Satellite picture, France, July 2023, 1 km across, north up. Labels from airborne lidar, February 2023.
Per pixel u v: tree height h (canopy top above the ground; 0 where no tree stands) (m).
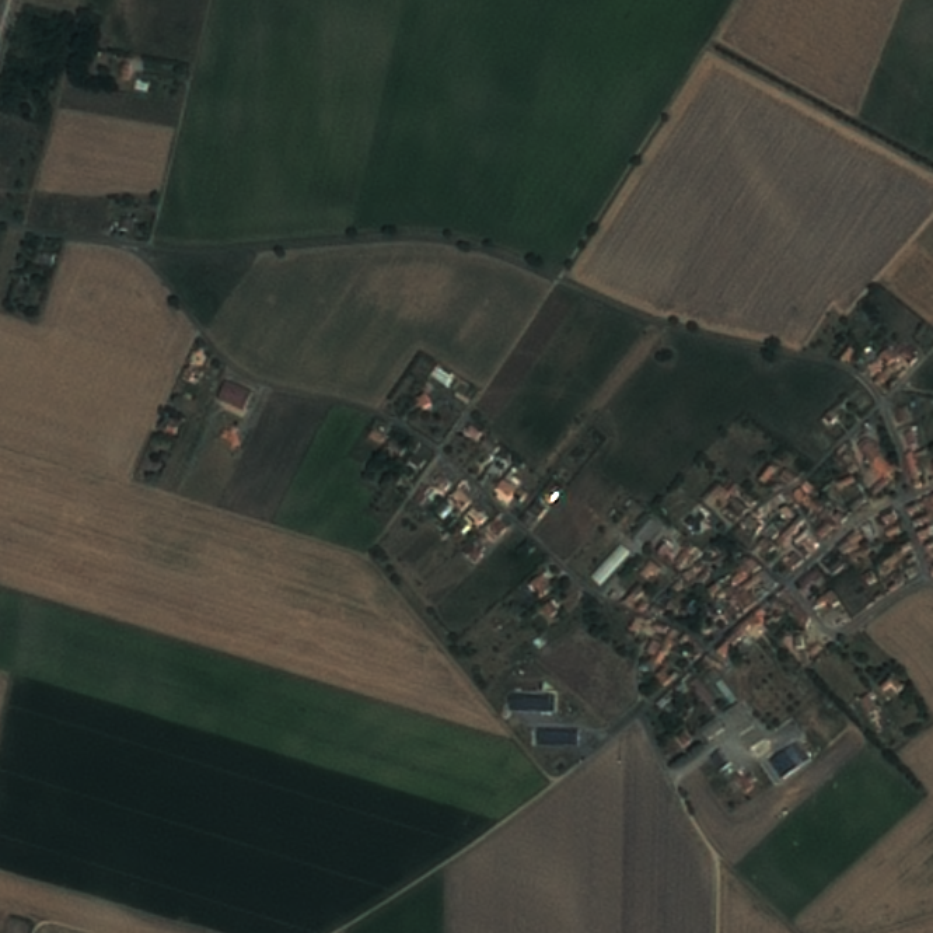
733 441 0
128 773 0
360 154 0
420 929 0
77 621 0
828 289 0
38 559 0
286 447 0
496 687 0
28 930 0
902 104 0
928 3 0
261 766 0
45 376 0
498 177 0
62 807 0
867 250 0
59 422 0
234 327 0
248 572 0
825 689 8
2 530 0
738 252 0
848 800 0
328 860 0
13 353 0
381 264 0
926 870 0
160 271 0
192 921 0
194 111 0
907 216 0
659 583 7
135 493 0
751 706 0
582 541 0
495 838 0
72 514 0
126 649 0
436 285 0
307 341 0
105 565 0
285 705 0
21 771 0
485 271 0
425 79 0
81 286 0
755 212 0
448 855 0
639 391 0
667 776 0
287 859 0
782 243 0
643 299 0
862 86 0
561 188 0
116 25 0
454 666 0
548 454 0
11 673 0
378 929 0
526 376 0
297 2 0
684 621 12
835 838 0
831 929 0
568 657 0
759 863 0
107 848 0
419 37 0
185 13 0
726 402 0
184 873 0
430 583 0
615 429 0
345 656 0
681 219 0
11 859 0
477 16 0
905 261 0
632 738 0
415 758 0
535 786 0
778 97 0
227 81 0
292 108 0
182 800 0
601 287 0
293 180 0
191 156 0
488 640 0
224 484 0
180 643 0
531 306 0
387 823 0
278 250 9
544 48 0
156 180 0
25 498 0
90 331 0
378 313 0
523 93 0
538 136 0
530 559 0
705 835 0
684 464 0
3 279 0
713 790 0
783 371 0
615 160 0
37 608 0
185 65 6
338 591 0
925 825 0
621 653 9
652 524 0
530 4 0
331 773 0
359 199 0
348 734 0
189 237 0
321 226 0
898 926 0
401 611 0
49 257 0
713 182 0
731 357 0
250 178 0
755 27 0
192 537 0
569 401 0
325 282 0
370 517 0
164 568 0
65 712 0
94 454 0
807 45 0
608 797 0
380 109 0
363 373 0
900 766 9
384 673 0
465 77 0
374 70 0
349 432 0
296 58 0
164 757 0
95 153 0
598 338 0
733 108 0
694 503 0
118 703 0
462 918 0
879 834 0
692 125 0
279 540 0
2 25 0
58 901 0
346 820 0
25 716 0
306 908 0
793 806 0
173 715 0
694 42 0
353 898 0
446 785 0
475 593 0
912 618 0
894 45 0
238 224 0
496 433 0
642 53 0
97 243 0
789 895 0
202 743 0
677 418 0
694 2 0
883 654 0
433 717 0
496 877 0
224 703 0
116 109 0
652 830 0
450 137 0
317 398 0
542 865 0
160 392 0
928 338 0
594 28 0
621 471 0
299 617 0
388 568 6
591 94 0
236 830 0
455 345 0
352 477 0
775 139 0
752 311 0
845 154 0
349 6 0
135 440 0
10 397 0
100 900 0
